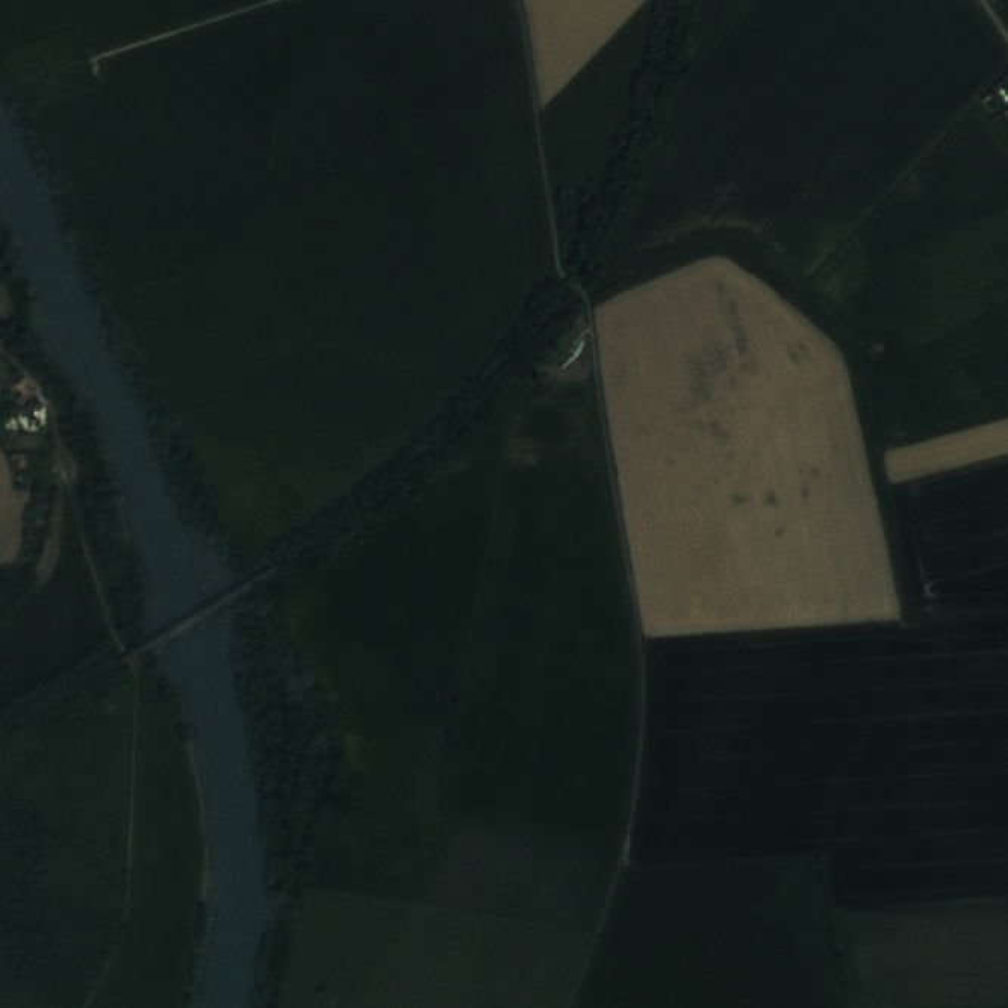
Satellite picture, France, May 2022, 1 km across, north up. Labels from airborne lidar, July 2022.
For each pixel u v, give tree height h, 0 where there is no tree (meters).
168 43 0
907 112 0
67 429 17
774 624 0
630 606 0
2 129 0
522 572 0
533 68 0
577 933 0
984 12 0
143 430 0
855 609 0
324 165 0
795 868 0
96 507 13
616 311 0
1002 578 0
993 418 0
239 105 0
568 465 0
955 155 0
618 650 0
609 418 0
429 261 0
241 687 10
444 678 0
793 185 0
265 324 0
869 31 0
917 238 0
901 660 0
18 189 0
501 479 0
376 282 0
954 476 0
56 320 0
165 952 0
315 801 6
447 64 0
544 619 0
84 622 0
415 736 0
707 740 0
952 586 0
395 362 0
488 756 0
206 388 0
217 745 0
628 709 0
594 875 0
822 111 0
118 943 14
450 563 0
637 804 0
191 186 0
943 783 0
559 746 0
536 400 0
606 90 0
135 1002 0
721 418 0
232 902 0
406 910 0
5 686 0
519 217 0
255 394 0
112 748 0
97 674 20
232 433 0
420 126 0
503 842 0
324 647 0
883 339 0
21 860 21
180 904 0
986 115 0
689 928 0
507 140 0
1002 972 0
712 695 0
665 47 15
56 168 11
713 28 0
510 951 0
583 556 0
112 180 0
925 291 0
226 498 0
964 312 0
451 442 10
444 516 0
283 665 8
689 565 0
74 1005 14
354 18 0
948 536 0
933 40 0
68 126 0
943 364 0
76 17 0
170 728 0
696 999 0
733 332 0
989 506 0
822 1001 0
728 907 0
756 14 0
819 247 0
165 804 0
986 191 0
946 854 0
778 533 0
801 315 0
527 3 0
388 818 0
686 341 0
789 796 0
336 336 0
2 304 0
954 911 0
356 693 0
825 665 0
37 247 0
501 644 0
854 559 0
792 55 0
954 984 0
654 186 0
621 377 0
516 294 0
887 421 0
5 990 13
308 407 0
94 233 0
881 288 0
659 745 0
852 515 0
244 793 0
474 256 0
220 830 0
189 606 0
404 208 0
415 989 0
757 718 0
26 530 9
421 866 0
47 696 20
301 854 13
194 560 0
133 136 0
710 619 0
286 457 0
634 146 6
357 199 0
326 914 0
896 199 0
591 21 0
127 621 13
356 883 0
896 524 0
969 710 0
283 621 15
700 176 0
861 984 0
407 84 0
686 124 0
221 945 0
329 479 0
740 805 0
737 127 0
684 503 0
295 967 0
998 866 0
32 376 17
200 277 0
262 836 7
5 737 23
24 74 0
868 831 0
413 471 12
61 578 0
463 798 0
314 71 0
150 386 6
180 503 10
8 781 0
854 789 0
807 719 0
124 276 0
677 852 0
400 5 0
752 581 0
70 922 16
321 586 0
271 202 0
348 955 0
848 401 0
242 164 0
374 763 0
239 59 0
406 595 0
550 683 0
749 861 0
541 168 0
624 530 0
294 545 17
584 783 0
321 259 0
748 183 0
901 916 0
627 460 0
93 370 0
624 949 0
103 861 0
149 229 0
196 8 0
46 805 0
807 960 0
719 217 0
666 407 0
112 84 0
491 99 0
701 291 0
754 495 0
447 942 0
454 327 0
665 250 0
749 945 0
